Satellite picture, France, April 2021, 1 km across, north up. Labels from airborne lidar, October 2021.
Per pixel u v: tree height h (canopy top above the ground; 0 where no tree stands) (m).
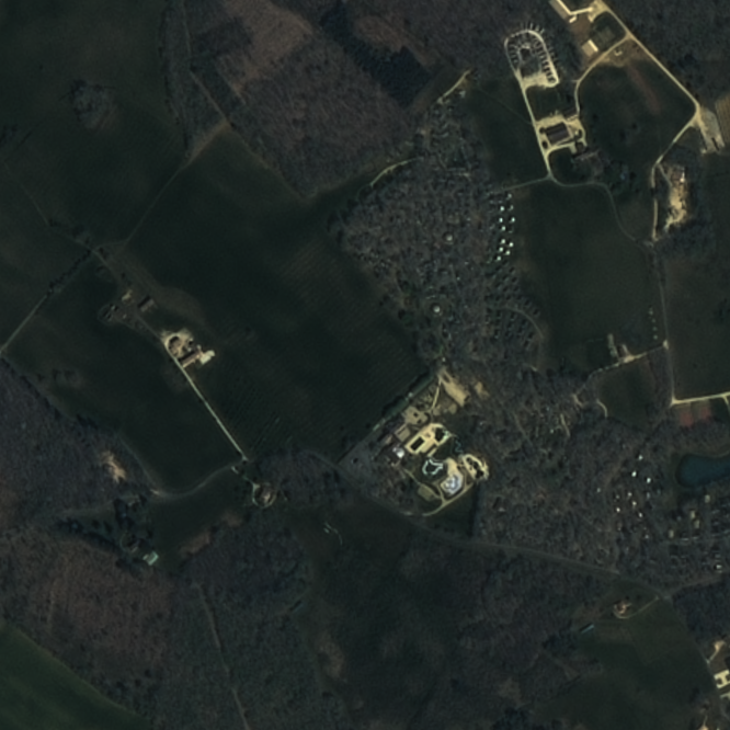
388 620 10
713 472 0
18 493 15
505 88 0
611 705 0
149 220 0
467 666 9
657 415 13
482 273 13
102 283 0
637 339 0
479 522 15
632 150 0
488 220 17
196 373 0
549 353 0
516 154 0
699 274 0
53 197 0
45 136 0
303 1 12
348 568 8
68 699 0
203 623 18
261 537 19
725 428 18
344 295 0
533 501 16
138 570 17
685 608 13
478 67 24
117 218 0
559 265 0
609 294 0
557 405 14
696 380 0
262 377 0
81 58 0
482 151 18
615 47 0
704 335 0
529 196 0
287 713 13
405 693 9
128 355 0
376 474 10
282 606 19
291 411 0
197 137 16
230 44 8
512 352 21
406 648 9
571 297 0
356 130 14
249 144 12
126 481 7
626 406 0
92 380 0
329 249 0
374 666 9
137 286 0
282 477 21
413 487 11
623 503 17
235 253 0
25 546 19
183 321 0
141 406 0
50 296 6
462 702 10
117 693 18
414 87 16
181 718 13
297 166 19
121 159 0
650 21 23
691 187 6
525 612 14
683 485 0
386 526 0
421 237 16
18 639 0
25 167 0
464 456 0
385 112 11
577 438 23
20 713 0
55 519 20
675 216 14
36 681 0
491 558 7
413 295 12
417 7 15
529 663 12
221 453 0
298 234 0
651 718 0
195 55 8
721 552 19
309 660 16
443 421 10
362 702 8
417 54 14
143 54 0
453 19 13
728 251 0
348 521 0
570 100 11
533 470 15
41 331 0
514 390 18
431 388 0
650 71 0
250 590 15
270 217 0
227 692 18
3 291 0
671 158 19
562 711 0
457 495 0
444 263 20
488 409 16
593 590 17
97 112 19
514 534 14
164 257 0
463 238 14
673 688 0
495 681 7
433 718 10
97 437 20
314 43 15
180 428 0
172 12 10
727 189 0
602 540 15
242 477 8
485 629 12
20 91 0
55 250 0
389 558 0
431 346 17
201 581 15
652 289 0
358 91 17
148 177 0
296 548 13
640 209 0
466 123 18
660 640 0
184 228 0
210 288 0
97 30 0
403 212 11
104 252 8
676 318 0
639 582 13
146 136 0
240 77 20
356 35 16
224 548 18
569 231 0
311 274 0
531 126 0
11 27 0
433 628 11
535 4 18
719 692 0
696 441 19
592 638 0
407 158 0
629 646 0
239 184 0
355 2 6
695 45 20
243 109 20
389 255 15
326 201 0
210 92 8
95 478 17
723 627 16
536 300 0
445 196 15
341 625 9
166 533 0
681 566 17
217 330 0
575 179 0
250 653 19
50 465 23
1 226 0
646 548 17
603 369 11
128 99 0
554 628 15
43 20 0
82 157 0
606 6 15
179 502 0
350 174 22
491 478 15
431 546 9
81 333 0
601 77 0
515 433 14
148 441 0
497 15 17
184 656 17
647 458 19
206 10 13
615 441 20
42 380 15
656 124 0
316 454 0
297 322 0
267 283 0
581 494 15
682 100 0
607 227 0
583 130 0
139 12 0
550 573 19
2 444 16
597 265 0
